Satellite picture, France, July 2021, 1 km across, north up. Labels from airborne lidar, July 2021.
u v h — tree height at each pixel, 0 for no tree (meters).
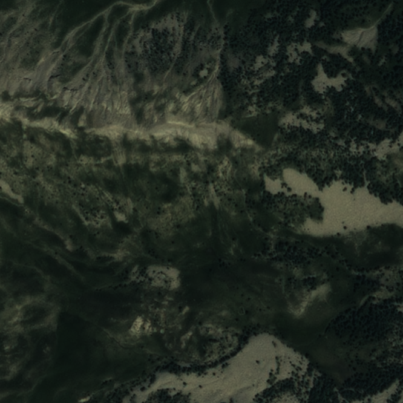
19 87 0
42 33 0
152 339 0
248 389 0
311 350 0
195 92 0
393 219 0
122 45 0
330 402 13
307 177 0
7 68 0
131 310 0
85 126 0
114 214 0
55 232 0
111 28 0
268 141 0
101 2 0
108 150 0
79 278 0
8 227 0
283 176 0
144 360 0
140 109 0
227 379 0
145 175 0
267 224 0
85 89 0
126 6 0
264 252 11
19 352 0
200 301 0
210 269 6
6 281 0
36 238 0
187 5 0
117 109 0
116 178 0
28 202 0
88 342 0
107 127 0
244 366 0
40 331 0
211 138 0
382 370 8
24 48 0
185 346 0
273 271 0
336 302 0
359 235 0
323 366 0
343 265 7
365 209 0
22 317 0
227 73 7
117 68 0
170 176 0
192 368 11
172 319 0
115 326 0
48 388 0
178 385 0
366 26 0
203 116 0
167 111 0
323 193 0
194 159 0
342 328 10
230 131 0
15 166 0
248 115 0
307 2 7
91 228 0
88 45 0
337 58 14
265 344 0
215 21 0
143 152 0
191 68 0
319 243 0
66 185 0
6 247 0
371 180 12
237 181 0
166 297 0
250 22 7
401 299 14
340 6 17
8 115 0
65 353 0
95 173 0
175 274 0
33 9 0
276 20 12
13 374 0
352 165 10
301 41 8
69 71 0
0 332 0
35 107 0
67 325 0
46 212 0
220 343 6
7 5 0
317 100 6
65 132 0
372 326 12
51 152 0
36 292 0
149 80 0
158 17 0
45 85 0
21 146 0
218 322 0
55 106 0
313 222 0
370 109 12
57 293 0
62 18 0
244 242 0
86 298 0
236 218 0
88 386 0
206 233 0
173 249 0
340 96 12
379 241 0
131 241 0
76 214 0
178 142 0
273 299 0
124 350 0
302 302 0
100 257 7
